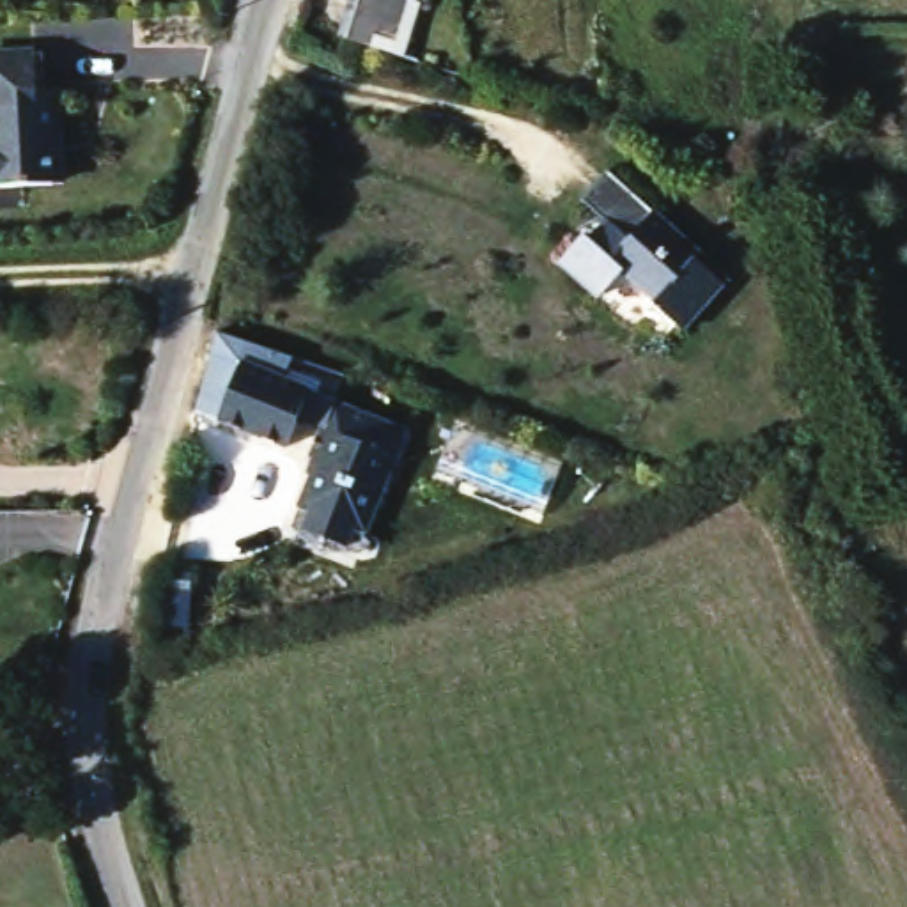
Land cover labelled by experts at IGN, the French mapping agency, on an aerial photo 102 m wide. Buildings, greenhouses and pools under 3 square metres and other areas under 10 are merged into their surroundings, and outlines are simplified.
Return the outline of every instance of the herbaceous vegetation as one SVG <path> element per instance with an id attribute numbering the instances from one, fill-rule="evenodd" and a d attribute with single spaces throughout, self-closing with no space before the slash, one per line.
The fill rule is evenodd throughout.
<path id="1" fill-rule="evenodd" d="M 50 840 L 11 836 L 0 843 L 0 907 L 110 907 L 85 840 L 67 836 L 60 847 Z"/>
<path id="2" fill-rule="evenodd" d="M 142 205 L 163 177 L 174 174 L 191 106 L 174 78 L 145 81 L 145 113 L 131 113 L 113 99 L 99 103 L 103 135 L 96 145 L 96 170 L 46 181 L 43 191 L 11 188 L 18 195 L 18 205 L 0 209 L 0 220 Z"/>
<path id="3" fill-rule="evenodd" d="M 740 503 L 748 503 L 751 514 L 779 528 L 787 492 L 769 471 Z"/>
<path id="4" fill-rule="evenodd" d="M 89 25 L 92 18 L 117 18 L 120 0 L 46 0 L 57 21 Z"/>
<path id="5" fill-rule="evenodd" d="M 209 556 L 202 542 L 170 546 L 159 556 L 167 563 L 167 581 L 159 599 L 156 648 L 177 677 L 195 670 L 191 652 L 209 616 L 220 560 Z"/>
<path id="6" fill-rule="evenodd" d="M 407 64 L 436 64 L 439 57 L 425 53 L 425 46 L 432 43 L 446 50 L 454 64 L 475 60 L 492 74 L 507 74 L 539 89 L 592 96 L 595 81 L 588 81 L 585 74 L 599 64 L 599 32 L 613 28 L 616 60 L 641 71 L 648 89 L 663 99 L 666 117 L 726 128 L 733 177 L 716 184 L 698 170 L 677 174 L 663 167 L 652 138 L 613 120 L 606 128 L 581 128 L 567 142 L 595 170 L 620 174 L 652 209 L 666 209 L 673 198 L 687 198 L 702 216 L 709 216 L 712 223 L 733 223 L 744 237 L 762 227 L 762 216 L 751 213 L 740 198 L 744 184 L 758 174 L 755 138 L 758 131 L 765 131 L 765 124 L 740 117 L 740 57 L 751 57 L 758 43 L 783 46 L 794 21 L 815 14 L 857 14 L 864 25 L 907 25 L 907 0 L 418 0 L 415 32 L 400 57 Z"/>
<path id="7" fill-rule="evenodd" d="M 85 329 L 71 329 L 64 340 L 39 344 L 11 340 L 0 333 L 0 464 L 81 464 L 96 457 L 85 450 L 85 432 L 96 422 L 92 404 L 103 397 L 103 372 L 113 358 L 110 344 L 96 340 Z"/>
<path id="8" fill-rule="evenodd" d="M 546 489 L 542 521 L 549 528 L 578 524 L 588 503 L 616 507 L 638 500 L 645 489 L 663 485 L 659 471 L 627 461 L 627 446 L 648 443 L 652 454 L 670 457 L 687 454 L 702 439 L 740 439 L 769 422 L 801 418 L 797 404 L 776 390 L 772 379 L 776 358 L 787 347 L 776 322 L 772 294 L 748 273 L 748 287 L 733 298 L 733 305 L 723 315 L 694 329 L 673 322 L 670 333 L 663 333 L 648 319 L 627 322 L 606 301 L 588 294 L 567 269 L 560 269 L 563 244 L 578 237 L 578 227 L 588 216 L 588 184 L 567 184 L 556 198 L 535 198 L 514 152 L 500 138 L 485 135 L 482 145 L 450 135 L 439 145 L 407 145 L 393 135 L 400 113 L 372 106 L 354 124 L 329 124 L 308 113 L 298 117 L 298 135 L 305 135 L 308 145 L 312 181 L 294 198 L 301 220 L 322 234 L 322 252 L 315 255 L 294 298 L 269 301 L 262 322 L 230 322 L 223 333 L 230 337 L 308 361 L 322 361 L 326 354 L 312 344 L 312 337 L 340 333 L 365 337 L 390 354 L 418 358 L 425 365 L 415 372 L 415 379 L 425 390 L 450 397 L 461 422 L 464 422 L 475 407 L 489 407 L 510 418 L 517 432 L 510 432 L 503 443 L 556 461 L 560 471 Z M 368 248 L 386 241 L 418 244 L 415 262 L 400 266 L 397 273 L 386 273 L 372 291 L 358 294 L 354 301 L 333 301 L 326 283 L 333 266 L 340 259 L 365 255 Z"/>
<path id="9" fill-rule="evenodd" d="M 864 237 L 879 266 L 879 283 L 868 291 L 872 326 L 886 372 L 900 383 L 900 393 L 907 397 L 907 220 L 893 213 L 893 223 L 879 223 Z"/>
<path id="10" fill-rule="evenodd" d="M 393 599 L 400 574 L 425 570 L 439 560 L 454 560 L 461 553 L 489 546 L 514 517 L 436 478 L 439 429 L 432 415 L 418 411 L 411 418 L 415 429 L 404 457 L 411 457 L 422 471 L 411 492 L 404 496 L 393 542 L 376 549 L 372 560 L 347 567 L 298 546 L 291 549 L 291 567 L 280 570 L 280 602 L 294 606 L 305 599 L 333 599 L 340 588 Z"/>

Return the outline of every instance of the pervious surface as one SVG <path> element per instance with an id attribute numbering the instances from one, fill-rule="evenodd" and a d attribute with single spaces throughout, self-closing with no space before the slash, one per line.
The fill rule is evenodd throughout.
<path id="1" fill-rule="evenodd" d="M 0 276 L 7 276 L 11 287 L 99 287 L 110 283 L 110 273 L 131 273 L 135 259 L 0 266 Z"/>
<path id="2" fill-rule="evenodd" d="M 202 510 L 209 510 L 220 500 L 234 475 L 216 457 L 205 461 L 205 468 L 191 478 L 188 489 L 188 500 Z"/>
<path id="3" fill-rule="evenodd" d="M 907 694 L 907 521 L 864 524 L 854 528 L 850 539 L 843 539 L 843 560 L 850 560 L 864 578 L 872 578 L 882 588 L 879 613 L 886 634 L 875 648 L 864 652 L 868 677 L 875 677 L 886 691 Z"/>
<path id="4" fill-rule="evenodd" d="M 454 96 L 415 92 L 400 85 L 358 85 L 351 92 L 344 78 L 322 67 L 301 71 L 294 74 L 315 96 L 308 113 L 329 124 L 354 124 L 372 106 L 400 113 L 415 106 L 457 110 L 482 124 L 485 135 L 500 138 L 514 152 L 535 198 L 556 198 L 567 184 L 588 184 L 595 181 L 595 170 L 567 142 L 539 124 L 514 120 L 507 113 Z"/>
<path id="5" fill-rule="evenodd" d="M 96 457 L 81 464 L 0 464 L 0 496 L 92 492 L 99 503 L 106 507 L 117 496 L 117 482 L 128 461 L 128 446 L 120 443 L 110 454 Z"/>
<path id="6" fill-rule="evenodd" d="M 145 39 L 227 43 L 227 35 L 216 32 L 202 21 L 198 4 L 188 7 L 188 14 L 177 14 L 174 7 L 156 7 L 152 18 L 142 21 Z"/>

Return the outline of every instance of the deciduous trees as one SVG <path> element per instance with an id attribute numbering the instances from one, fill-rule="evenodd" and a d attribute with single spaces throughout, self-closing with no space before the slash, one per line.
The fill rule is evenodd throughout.
<path id="1" fill-rule="evenodd" d="M 815 14 L 794 21 L 783 46 L 758 43 L 751 57 L 740 57 L 740 117 L 765 124 L 765 131 L 758 131 L 755 138 L 758 174 L 765 191 L 790 184 L 804 191 L 808 184 L 840 184 L 847 177 L 868 195 L 868 209 L 879 223 L 893 223 L 893 213 L 907 220 L 907 53 L 889 50 L 875 35 L 861 35 L 864 25 L 857 14 Z"/>
<path id="2" fill-rule="evenodd" d="M 298 117 L 308 113 L 315 96 L 294 74 L 283 74 L 262 89 L 255 103 L 255 128 L 248 131 L 248 145 L 241 156 L 241 174 L 230 188 L 227 237 L 205 298 L 205 322 L 216 333 L 223 333 L 230 322 L 262 322 L 269 301 L 294 298 L 315 255 L 322 252 L 322 234 L 301 220 L 294 198 L 312 181 L 308 145 L 305 135 L 298 135 Z"/>
<path id="3" fill-rule="evenodd" d="M 50 840 L 57 833 L 67 833 L 71 826 L 64 811 L 53 804 L 60 779 L 35 755 L 32 740 L 43 723 L 53 723 L 60 691 L 43 670 L 14 666 L 11 655 L 28 638 L 50 634 L 60 624 L 74 553 L 39 549 L 0 567 L 0 843 L 11 836 Z"/>

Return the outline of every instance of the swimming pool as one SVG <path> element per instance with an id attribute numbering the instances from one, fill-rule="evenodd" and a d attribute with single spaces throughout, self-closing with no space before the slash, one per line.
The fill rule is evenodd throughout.
<path id="1" fill-rule="evenodd" d="M 503 443 L 482 436 L 468 450 L 468 468 L 503 464 L 510 485 L 521 485 L 528 492 L 546 489 L 560 471 L 556 461 Z"/>

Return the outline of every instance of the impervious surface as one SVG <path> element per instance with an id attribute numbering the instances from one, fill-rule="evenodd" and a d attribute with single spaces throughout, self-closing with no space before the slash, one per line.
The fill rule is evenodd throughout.
<path id="1" fill-rule="evenodd" d="M 308 531 L 298 521 L 298 500 L 312 457 L 308 436 L 298 443 L 273 443 L 266 436 L 237 429 L 230 418 L 220 415 L 223 393 L 237 368 L 234 347 L 227 344 L 230 337 L 223 333 L 216 333 L 205 322 L 205 298 L 227 237 L 230 188 L 241 174 L 241 156 L 248 145 L 248 131 L 255 128 L 255 103 L 262 89 L 283 74 L 294 74 L 301 71 L 298 60 L 280 46 L 280 35 L 283 28 L 298 25 L 305 0 L 223 0 L 216 32 L 227 35 L 227 43 L 145 39 L 142 21 L 117 18 L 92 18 L 89 25 L 57 21 L 35 28 L 32 35 L 67 35 L 85 43 L 96 57 L 92 74 L 106 74 L 113 81 L 145 81 L 174 78 L 191 106 L 174 174 L 170 202 L 188 213 L 184 234 L 167 255 L 135 259 L 131 273 L 142 276 L 131 287 L 131 298 L 138 305 L 138 333 L 128 354 L 128 372 L 120 379 L 120 404 L 131 407 L 135 418 L 120 443 L 128 446 L 128 461 L 117 482 L 117 496 L 106 507 L 99 503 L 89 510 L 0 510 L 0 567 L 39 549 L 74 553 L 60 624 L 50 634 L 28 638 L 11 655 L 14 666 L 43 670 L 60 691 L 53 723 L 43 723 L 32 740 L 35 755 L 60 779 L 53 804 L 64 811 L 71 826 L 67 833 L 57 833 L 50 840 L 60 847 L 67 836 L 85 840 L 110 907 L 145 907 L 142 889 L 117 811 L 131 804 L 135 790 L 145 790 L 156 779 L 156 740 L 149 740 L 145 723 L 152 712 L 156 687 L 128 666 L 128 638 L 117 627 L 138 616 L 142 570 L 152 556 L 159 556 L 170 546 L 202 542 L 209 556 L 220 560 L 248 560 L 269 553 L 280 539 L 291 539 L 298 546 L 347 567 L 372 560 L 376 549 L 368 542 L 329 542 L 326 535 Z M 234 475 L 220 500 L 209 510 L 202 510 L 188 521 L 167 521 L 163 514 L 170 446 L 184 432 L 202 432 L 216 457 Z"/>
<path id="2" fill-rule="evenodd" d="M 337 25 L 337 35 L 347 39 L 358 0 L 326 0 L 326 14 Z"/>
<path id="3" fill-rule="evenodd" d="M 439 429 L 436 478 L 514 517 L 542 521 L 546 489 L 528 492 L 521 485 L 510 485 L 503 464 L 468 468 L 468 450 L 482 436 L 471 432 L 464 422 L 461 422 Z"/>
<path id="4" fill-rule="evenodd" d="M 567 269 L 588 294 L 606 301 L 627 322 L 648 319 L 663 333 L 670 333 L 673 322 L 673 315 L 666 315 L 659 301 L 652 301 L 648 294 L 631 294 L 631 269 L 620 269 L 592 241 L 592 234 L 602 223 L 588 216 L 578 227 L 578 237 L 563 244 L 560 269 Z"/>

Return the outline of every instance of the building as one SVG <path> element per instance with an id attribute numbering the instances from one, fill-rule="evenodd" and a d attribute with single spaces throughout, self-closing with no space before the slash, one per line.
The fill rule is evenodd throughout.
<path id="1" fill-rule="evenodd" d="M 673 198 L 666 209 L 652 209 L 620 174 L 595 170 L 595 181 L 588 184 L 588 216 L 602 223 L 592 234 L 592 241 L 620 269 L 631 269 L 631 294 L 648 294 L 652 301 L 659 301 L 666 315 L 673 315 L 673 322 L 694 329 L 723 315 L 733 305 L 733 298 L 748 287 L 748 273 L 744 237 L 733 223 L 712 223 L 709 216 L 702 216 L 687 198 Z"/>
<path id="2" fill-rule="evenodd" d="M 18 195 L 11 188 L 43 191 L 46 181 L 96 170 L 96 145 L 103 135 L 99 103 L 113 99 L 113 81 L 106 74 L 92 74 L 96 57 L 85 43 L 67 35 L 32 35 L 11 35 L 7 43 L 0 43 L 0 209 L 18 205 Z"/>
<path id="3" fill-rule="evenodd" d="M 368 542 L 376 549 L 393 542 L 404 496 L 411 492 L 422 471 L 411 457 L 404 457 L 415 429 L 411 418 L 418 411 L 407 404 L 379 404 L 368 386 L 344 383 L 340 361 L 326 354 L 322 361 L 308 361 L 230 337 L 227 344 L 234 347 L 237 368 L 223 393 L 220 415 L 230 418 L 237 429 L 266 436 L 273 443 L 298 443 L 308 436 L 312 457 L 298 500 L 298 521 L 308 531 L 326 535 L 329 542 Z"/>
<path id="4" fill-rule="evenodd" d="M 418 0 L 358 0 L 347 39 L 400 57 L 415 32 Z"/>

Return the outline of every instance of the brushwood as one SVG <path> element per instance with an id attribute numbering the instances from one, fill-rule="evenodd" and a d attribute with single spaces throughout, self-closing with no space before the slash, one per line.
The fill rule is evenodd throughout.
<path id="1" fill-rule="evenodd" d="M 117 627 L 128 638 L 128 666 L 156 687 L 159 680 L 177 677 L 156 648 L 159 599 L 167 581 L 167 563 L 159 556 L 152 556 L 142 570 L 138 616 Z"/>
<path id="2" fill-rule="evenodd" d="M 439 145 L 450 135 L 482 145 L 485 135 L 482 124 L 457 110 L 415 106 L 400 113 L 393 135 L 407 145 Z"/>
<path id="3" fill-rule="evenodd" d="M 145 790 L 135 790 L 131 804 L 117 811 L 142 889 L 145 882 L 156 886 L 167 879 L 167 840 L 152 829 L 152 801 Z"/>
<path id="4" fill-rule="evenodd" d="M 202 510 L 188 500 L 188 489 L 191 478 L 205 468 L 205 461 L 216 457 L 202 432 L 184 432 L 170 446 L 163 514 L 167 521 L 188 521 Z"/>
<path id="5" fill-rule="evenodd" d="M 298 645 L 319 645 L 340 634 L 361 634 L 368 627 L 400 627 L 418 616 L 432 616 L 436 609 L 454 606 L 468 595 L 531 585 L 570 567 L 609 563 L 613 556 L 659 546 L 677 531 L 687 531 L 705 517 L 740 503 L 769 471 L 787 492 L 779 528 L 801 602 L 808 606 L 822 645 L 836 659 L 836 677 L 843 684 L 847 705 L 854 709 L 861 740 L 868 744 L 886 779 L 886 794 L 907 822 L 907 694 L 886 691 L 875 677 L 868 677 L 864 652 L 875 648 L 886 634 L 879 613 L 882 588 L 872 578 L 864 578 L 850 560 L 843 560 L 843 539 L 850 539 L 854 528 L 864 524 L 907 521 L 907 397 L 900 393 L 900 383 L 886 372 L 872 326 L 868 291 L 879 283 L 879 266 L 864 237 L 879 223 L 868 209 L 868 195 L 847 177 L 840 184 L 808 184 L 804 191 L 790 184 L 765 191 L 758 174 L 744 184 L 740 198 L 751 213 L 762 216 L 762 227 L 744 237 L 748 273 L 772 294 L 776 322 L 787 347 L 776 358 L 772 379 L 776 390 L 797 404 L 801 418 L 769 422 L 740 439 L 702 439 L 687 454 L 670 457 L 652 454 L 648 443 L 627 446 L 627 461 L 659 471 L 663 485 L 645 489 L 638 500 L 616 507 L 588 503 L 578 524 L 549 528 L 542 521 L 514 517 L 489 546 L 461 553 L 454 560 L 439 560 L 425 570 L 400 574 L 393 599 L 340 588 L 333 599 L 305 599 L 294 606 L 280 602 L 280 570 L 291 567 L 291 549 L 298 546 L 291 539 L 280 539 L 269 553 L 248 560 L 220 560 L 209 616 L 191 652 L 195 670 L 227 666 L 230 659 L 269 655 Z"/>
<path id="6" fill-rule="evenodd" d="M 340 333 L 312 337 L 312 344 L 326 354 L 340 361 L 344 383 L 368 386 L 379 404 L 407 404 L 418 411 L 432 415 L 439 429 L 461 422 L 450 397 L 425 390 L 415 379 L 415 372 L 425 365 L 418 358 L 390 354 L 365 337 Z"/>
<path id="7" fill-rule="evenodd" d="M 177 14 L 188 14 L 188 7 L 198 4 L 202 21 L 216 32 L 223 0 L 120 0 L 117 18 L 142 21 L 152 18 L 156 7 L 174 7 Z"/>
<path id="8" fill-rule="evenodd" d="M 875 35 L 889 50 L 907 53 L 907 25 L 864 25 L 861 35 Z"/>
<path id="9" fill-rule="evenodd" d="M 128 372 L 128 354 L 138 333 L 138 305 L 131 298 L 131 287 L 142 276 L 131 273 L 110 273 L 110 283 L 99 287 L 11 287 L 7 276 L 0 276 L 0 333 L 11 340 L 39 344 L 64 340 L 71 329 L 85 329 L 96 340 L 110 344 L 113 358 L 103 372 L 103 397 L 92 404 L 96 422 L 85 432 L 85 450 L 96 457 L 110 454 L 120 443 L 135 418 L 131 407 L 120 404 L 120 379 Z"/>
<path id="10" fill-rule="evenodd" d="M 613 120 L 652 138 L 663 167 L 677 174 L 698 170 L 716 184 L 733 177 L 726 128 L 666 117 L 663 99 L 648 89 L 641 71 L 616 60 L 613 28 L 599 32 L 599 64 L 585 74 L 588 81 L 595 81 L 592 96 L 539 89 L 507 74 L 492 74 L 475 60 L 454 64 L 446 50 L 432 43 L 425 46 L 425 53 L 439 57 L 436 64 L 407 64 L 400 57 L 347 39 L 337 35 L 337 25 L 326 14 L 326 0 L 305 0 L 298 25 L 283 28 L 280 35 L 280 46 L 298 60 L 301 71 L 322 67 L 344 78 L 351 92 L 358 85 L 400 85 L 415 92 L 454 96 L 507 113 L 514 120 L 539 124 L 567 142 L 581 128 L 606 128 Z"/>
<path id="11" fill-rule="evenodd" d="M 0 510 L 89 510 L 99 503 L 92 492 L 0 496 Z"/>
<path id="12" fill-rule="evenodd" d="M 0 220 L 0 266 L 135 259 L 167 255 L 184 234 L 188 213 L 170 202 L 174 174 L 163 177 L 142 205 Z"/>
<path id="13" fill-rule="evenodd" d="M 145 113 L 145 81 L 113 81 L 113 99 L 131 113 Z"/>
<path id="14" fill-rule="evenodd" d="M 400 266 L 415 262 L 418 244 L 386 241 L 368 248 L 365 255 L 340 259 L 333 266 L 326 283 L 333 301 L 354 301 L 358 294 L 372 291 L 386 273 L 397 273 Z"/>
<path id="15" fill-rule="evenodd" d="M 32 35 L 35 28 L 57 21 L 46 0 L 0 0 L 0 43 L 7 43 L 11 35 Z"/>
<path id="16" fill-rule="evenodd" d="M 482 436 L 503 443 L 510 432 L 517 432 L 510 418 L 489 407 L 475 407 L 464 422 L 471 432 Z"/>

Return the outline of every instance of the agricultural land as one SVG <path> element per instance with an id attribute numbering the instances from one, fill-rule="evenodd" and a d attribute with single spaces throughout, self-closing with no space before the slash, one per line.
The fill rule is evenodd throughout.
<path id="1" fill-rule="evenodd" d="M 531 585 L 468 595 L 454 606 L 436 609 L 432 616 L 418 616 L 400 627 L 368 627 L 361 634 L 340 634 L 319 645 L 298 645 L 269 655 L 230 659 L 227 666 L 195 670 L 177 677 L 159 680 L 156 687 L 152 712 L 145 723 L 149 740 L 156 740 L 156 779 L 145 790 L 152 801 L 152 829 L 167 840 L 167 879 L 156 886 L 145 882 L 142 889 L 145 907 L 907 907 L 907 822 L 886 794 L 886 779 L 868 744 L 861 740 L 854 709 L 847 705 L 843 684 L 836 677 L 836 659 L 822 645 L 808 606 L 801 602 L 779 528 L 751 514 L 748 503 L 740 503 L 705 517 L 687 531 L 677 531 L 659 546 L 613 556 L 609 563 L 570 567 Z"/>

